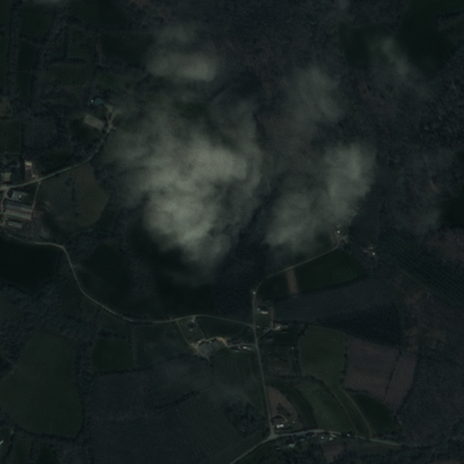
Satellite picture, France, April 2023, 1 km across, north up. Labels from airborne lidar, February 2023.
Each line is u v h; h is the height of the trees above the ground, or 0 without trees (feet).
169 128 0
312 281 0
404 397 0
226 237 35
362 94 33
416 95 53
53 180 0
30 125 41
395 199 48
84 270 0
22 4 25
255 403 0
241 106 43
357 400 0
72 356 0
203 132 26
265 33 67
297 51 74
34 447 31
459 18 25
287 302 38
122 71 41
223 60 39
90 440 24
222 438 0
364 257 43
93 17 0
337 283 0
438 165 48
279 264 37
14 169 47
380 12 74
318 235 0
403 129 55
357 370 0
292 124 37
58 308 34
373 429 0
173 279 0
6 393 0
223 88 41
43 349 0
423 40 0
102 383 42
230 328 0
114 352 0
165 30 41
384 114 41
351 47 0
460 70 68
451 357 40
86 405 26
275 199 28
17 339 22
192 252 0
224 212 27
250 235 31
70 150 39
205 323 0
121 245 44
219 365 0
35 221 0
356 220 29
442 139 93
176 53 64
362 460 34
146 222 0
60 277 21
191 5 78
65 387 0
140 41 0
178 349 0
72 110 38
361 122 49
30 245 0
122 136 0
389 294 48
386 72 42
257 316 0
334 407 0
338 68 76
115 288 0
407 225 52
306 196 21
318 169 62
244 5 69
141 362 0
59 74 0
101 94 34
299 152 48
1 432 0
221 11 81
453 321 45
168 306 0
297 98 64
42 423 0
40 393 0
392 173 52
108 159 0
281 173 76
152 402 28
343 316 45
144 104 38
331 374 0
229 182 74
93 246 34
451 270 37
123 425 32
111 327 0
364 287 48
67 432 0
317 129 39
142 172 49
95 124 0
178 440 34
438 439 44
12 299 0
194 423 0
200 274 0
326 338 0
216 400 0
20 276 0
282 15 79
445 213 0
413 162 78
